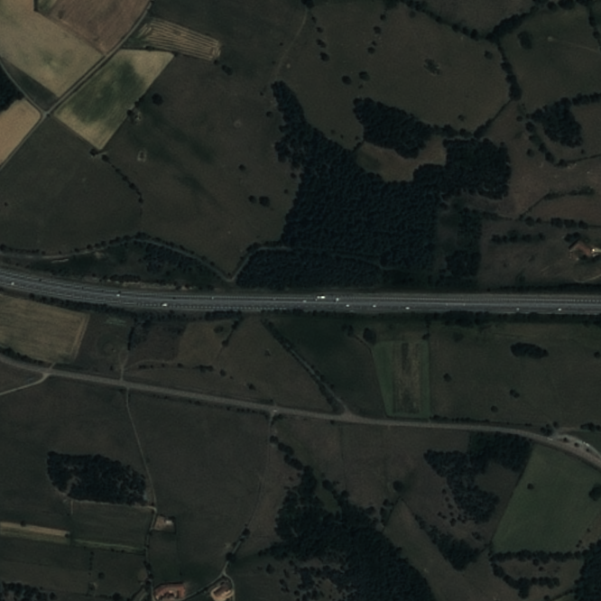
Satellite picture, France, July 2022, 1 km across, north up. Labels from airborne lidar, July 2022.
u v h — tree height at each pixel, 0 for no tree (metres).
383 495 0
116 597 12
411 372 0
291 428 0
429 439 0
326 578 11
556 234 0
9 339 0
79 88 0
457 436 0
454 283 13
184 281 0
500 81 0
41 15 0
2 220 0
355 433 0
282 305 0
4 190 0
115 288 0
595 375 0
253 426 0
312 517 20
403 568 25
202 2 0
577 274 0
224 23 0
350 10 0
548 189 0
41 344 0
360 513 14
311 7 18
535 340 0
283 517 12
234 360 0
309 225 34
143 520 0
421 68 0
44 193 0
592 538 0
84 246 0
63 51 0
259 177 0
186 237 0
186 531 0
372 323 0
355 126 0
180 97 0
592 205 0
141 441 0
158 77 0
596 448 0
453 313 9
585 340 0
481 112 0
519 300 0
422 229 14
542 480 0
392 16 0
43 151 0
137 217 0
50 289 0
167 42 0
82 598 0
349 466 0
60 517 0
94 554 7
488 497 10
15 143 0
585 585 8
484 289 0
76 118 0
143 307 0
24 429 0
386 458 0
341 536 16
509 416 0
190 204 0
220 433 0
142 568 0
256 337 0
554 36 0
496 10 0
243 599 0
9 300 0
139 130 0
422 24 0
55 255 0
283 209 0
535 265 0
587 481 0
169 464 0
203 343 0
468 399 0
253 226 0
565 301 0
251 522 0
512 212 0
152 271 11
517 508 0
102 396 0
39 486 0
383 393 0
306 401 0
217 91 0
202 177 0
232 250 0
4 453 0
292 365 0
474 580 0
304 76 0
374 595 18
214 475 0
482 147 16
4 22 0
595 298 0
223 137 0
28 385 0
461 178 16
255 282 15
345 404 0
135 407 0
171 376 0
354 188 22
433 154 0
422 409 0
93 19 0
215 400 0
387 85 0
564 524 0
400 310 0
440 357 0
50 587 0
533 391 0
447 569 0
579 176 0
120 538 0
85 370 0
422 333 0
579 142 11
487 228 0
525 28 0
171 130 0
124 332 0
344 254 19
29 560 0
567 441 6
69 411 0
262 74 0
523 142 0
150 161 0
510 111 0
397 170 0
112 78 0
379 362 0
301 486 8
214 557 0
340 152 15
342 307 0
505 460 10
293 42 0
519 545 0
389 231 22
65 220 0
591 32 0
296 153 6
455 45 0
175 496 0
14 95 10
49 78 0
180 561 0
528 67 0
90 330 0
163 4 0
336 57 0
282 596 0
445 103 0
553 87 0
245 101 0
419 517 7
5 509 0
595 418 0
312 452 0
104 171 0
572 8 18
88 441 0
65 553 0
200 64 0
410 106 0
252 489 0
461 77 0
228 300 0
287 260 15
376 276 15
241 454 0
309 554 7
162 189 0
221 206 0
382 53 0
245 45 0
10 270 0
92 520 0
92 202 0
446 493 7
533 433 0
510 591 0
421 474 0
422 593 23
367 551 18
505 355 0
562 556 13
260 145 0
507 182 11
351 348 0
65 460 13
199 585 0
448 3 0
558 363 0
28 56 0
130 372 0
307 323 0
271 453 0
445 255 0
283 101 13
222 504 0
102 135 0
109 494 12
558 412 0
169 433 0
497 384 0
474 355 0
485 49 0
